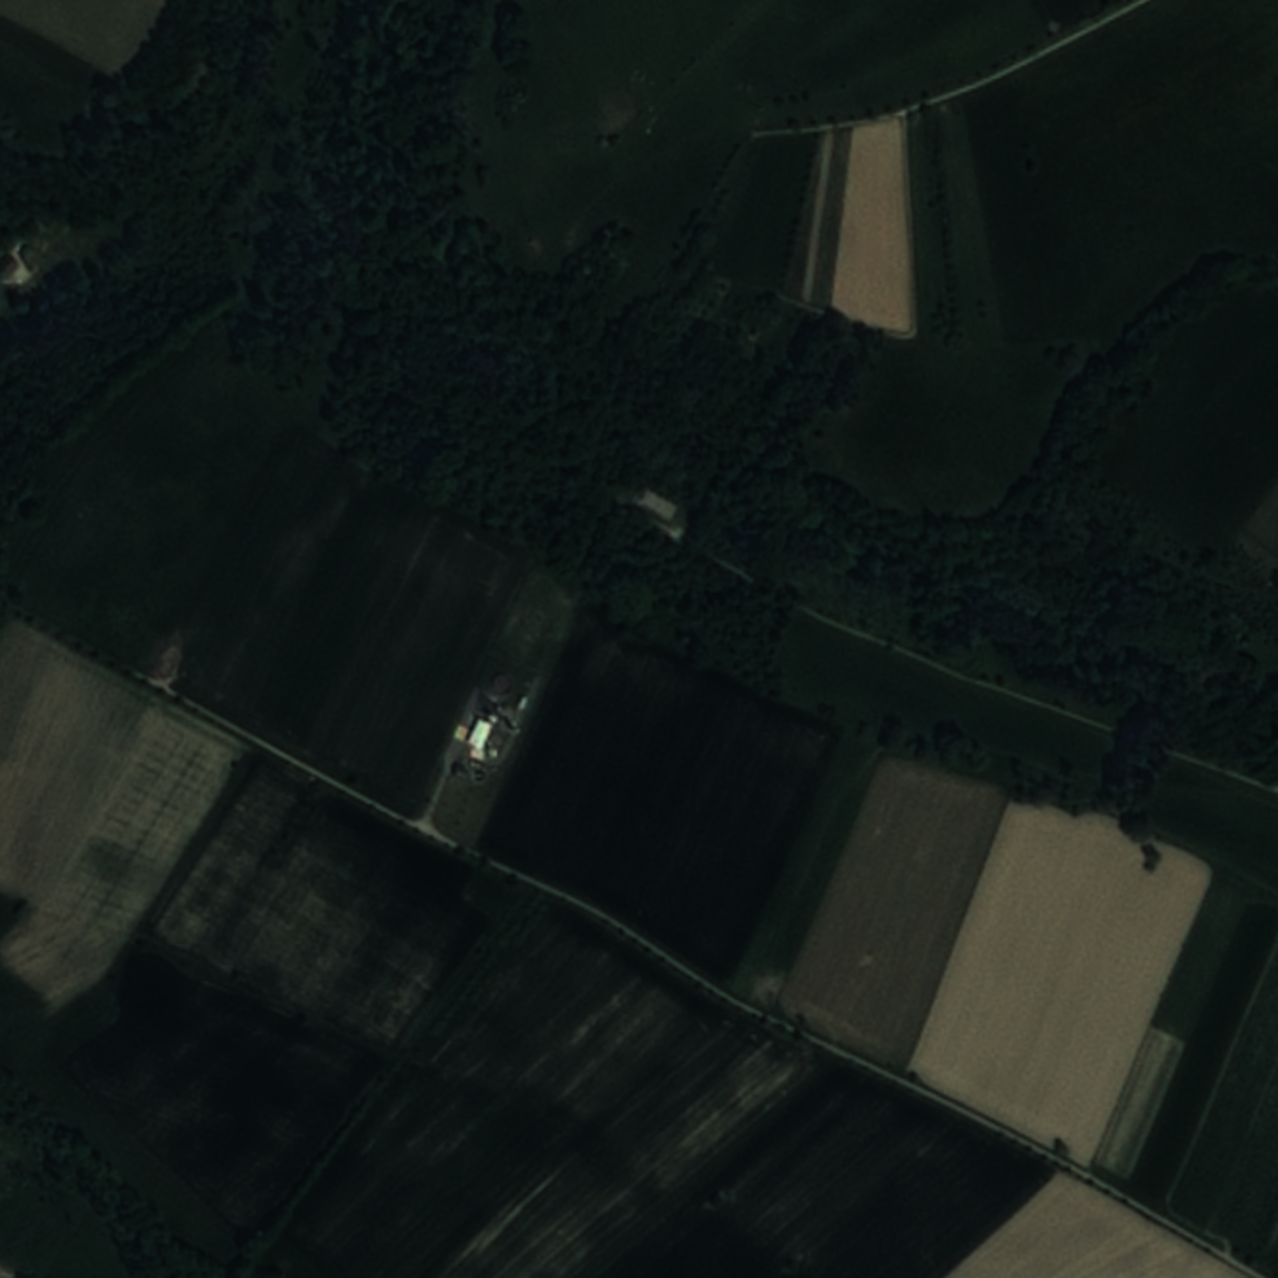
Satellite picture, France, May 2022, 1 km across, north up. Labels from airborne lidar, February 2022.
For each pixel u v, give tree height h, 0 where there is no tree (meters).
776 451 25
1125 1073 0
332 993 0
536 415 7
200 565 0
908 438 0
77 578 0
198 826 0
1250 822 0
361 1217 0
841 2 0
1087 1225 0
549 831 0
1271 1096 0
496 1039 0
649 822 0
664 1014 0
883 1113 0
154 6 0
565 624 0
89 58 0
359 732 0
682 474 19
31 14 0
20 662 0
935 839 0
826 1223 0
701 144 0
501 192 0
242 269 0
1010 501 9
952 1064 0
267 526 0
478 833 0
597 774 0
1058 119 0
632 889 0
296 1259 0
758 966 0
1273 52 0
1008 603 32
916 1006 0
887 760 0
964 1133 0
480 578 0
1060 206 0
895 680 0
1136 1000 0
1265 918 0
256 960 0
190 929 0
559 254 0
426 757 0
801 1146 0
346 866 0
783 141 0
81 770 0
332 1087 0
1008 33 0
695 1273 0
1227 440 0
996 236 0
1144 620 31
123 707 0
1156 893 0
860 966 0
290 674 0
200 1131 0
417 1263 0
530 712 0
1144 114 0
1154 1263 0
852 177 0
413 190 30
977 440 0
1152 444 0
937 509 0
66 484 0
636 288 0
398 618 0
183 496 0
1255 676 25
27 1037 0
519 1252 0
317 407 0
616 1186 0
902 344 0
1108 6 10
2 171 21
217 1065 0
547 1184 0
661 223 0
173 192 11
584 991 0
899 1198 0
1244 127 0
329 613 0
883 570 31
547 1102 0
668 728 0
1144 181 0
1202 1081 0
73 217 18
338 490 0
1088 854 0
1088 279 0
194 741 0
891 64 0
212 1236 0
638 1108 0
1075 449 28
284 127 27
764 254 0
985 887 0
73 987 0
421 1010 0
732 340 12
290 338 23
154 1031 0
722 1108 0
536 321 30
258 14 13
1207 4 0
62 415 14
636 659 0
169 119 10
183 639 0
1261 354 0
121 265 27
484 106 0
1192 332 0
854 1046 0
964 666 20
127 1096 0
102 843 0
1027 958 0
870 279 0
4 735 0
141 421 0
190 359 0
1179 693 20
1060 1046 0
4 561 11
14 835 0
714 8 0
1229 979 0
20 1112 16
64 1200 0
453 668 0
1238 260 8
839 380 24
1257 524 0
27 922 0
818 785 0
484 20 13
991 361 0
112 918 0
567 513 11
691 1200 0
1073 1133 0
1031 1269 0
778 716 0
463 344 23
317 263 35
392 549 0
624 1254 0
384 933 0
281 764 0
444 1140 0
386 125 8
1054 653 18
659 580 12
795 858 0
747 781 0
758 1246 0
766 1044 0
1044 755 0
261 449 0
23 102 0
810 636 0
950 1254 0
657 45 0
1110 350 0
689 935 0
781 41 0
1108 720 0
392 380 19
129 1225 25
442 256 35
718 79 0
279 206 19
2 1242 0
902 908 0
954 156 0
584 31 0
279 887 0
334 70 18
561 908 0
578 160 0
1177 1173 0
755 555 31
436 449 30
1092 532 24
